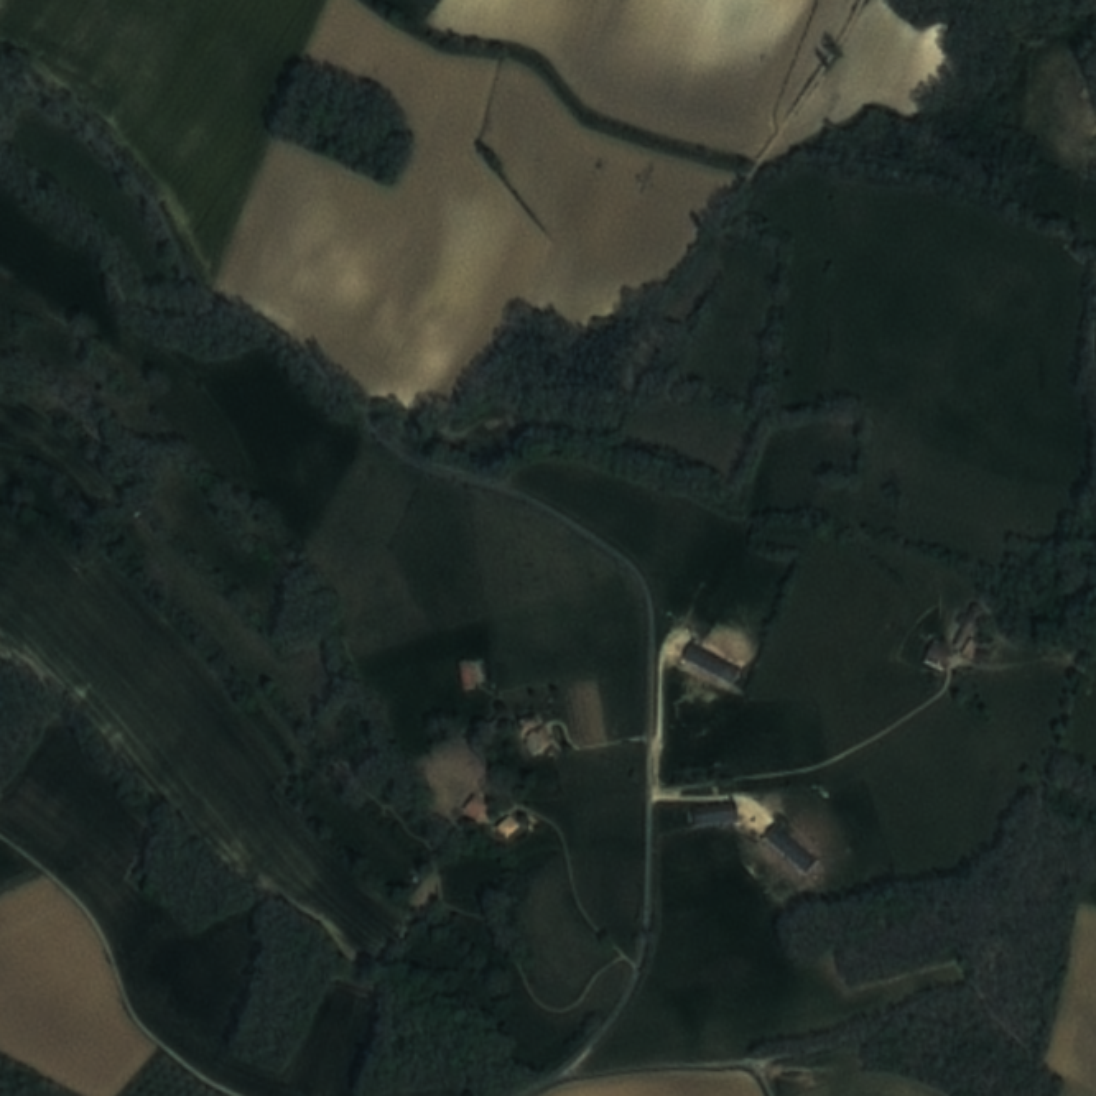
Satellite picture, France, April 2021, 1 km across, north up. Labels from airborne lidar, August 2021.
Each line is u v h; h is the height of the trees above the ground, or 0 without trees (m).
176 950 0
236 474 0
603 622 0
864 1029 15
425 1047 23
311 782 9
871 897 20
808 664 0
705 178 0
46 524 11
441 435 9
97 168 0
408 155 25
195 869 22
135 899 0
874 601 0
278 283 0
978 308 0
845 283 0
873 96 0
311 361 21
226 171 0
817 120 0
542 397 23
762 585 0
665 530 0
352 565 0
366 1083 20
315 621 20
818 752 0
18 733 21
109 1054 0
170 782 0
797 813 0
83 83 0
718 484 17
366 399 18
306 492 0
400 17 17
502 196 0
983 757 0
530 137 0
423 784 16
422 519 0
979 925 19
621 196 0
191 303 24
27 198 17
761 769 0
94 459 18
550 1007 0
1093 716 0
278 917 20
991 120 7
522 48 0
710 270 0
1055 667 0
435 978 11
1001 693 0
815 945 18
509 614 0
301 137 20
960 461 0
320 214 0
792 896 0
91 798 0
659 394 15
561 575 0
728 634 0
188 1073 8
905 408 0
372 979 22
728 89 0
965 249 0
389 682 0
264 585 0
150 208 16
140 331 16
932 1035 10
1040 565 15
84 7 0
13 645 0
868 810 0
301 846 0
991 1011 14
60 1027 0
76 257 0
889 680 0
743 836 0
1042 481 0
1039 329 0
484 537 0
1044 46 0
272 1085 0
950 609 0
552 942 0
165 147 0
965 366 0
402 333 0
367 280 0
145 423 0
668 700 0
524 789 7
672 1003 0
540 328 12
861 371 0
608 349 10
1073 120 0
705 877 0
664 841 0
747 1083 0
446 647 0
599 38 0
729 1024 0
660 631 0
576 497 0
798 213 0
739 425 0
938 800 0
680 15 0
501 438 0
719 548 0
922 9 15
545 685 0
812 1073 0
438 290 0
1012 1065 11
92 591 0
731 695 0
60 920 0
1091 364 16
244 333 24
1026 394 0
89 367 22
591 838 0
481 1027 19
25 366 21
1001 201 14
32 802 0
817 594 0
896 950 14
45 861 0
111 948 0
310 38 0
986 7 13
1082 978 0
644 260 0
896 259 0
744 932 0
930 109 19
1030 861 20
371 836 0
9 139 17
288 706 6
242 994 0
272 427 0
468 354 0
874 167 13
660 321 14
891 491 10
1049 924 15
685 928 0
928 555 8
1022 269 0
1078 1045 0
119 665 0
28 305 0
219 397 0
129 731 0
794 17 0
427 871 15
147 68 0
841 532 5
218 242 0
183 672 0
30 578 0
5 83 22
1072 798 11
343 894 0
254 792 0
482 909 14
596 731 0
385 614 0
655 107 0
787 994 0
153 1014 0
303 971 23
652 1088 0
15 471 0
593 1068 0
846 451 0
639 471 18
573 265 0
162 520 18
